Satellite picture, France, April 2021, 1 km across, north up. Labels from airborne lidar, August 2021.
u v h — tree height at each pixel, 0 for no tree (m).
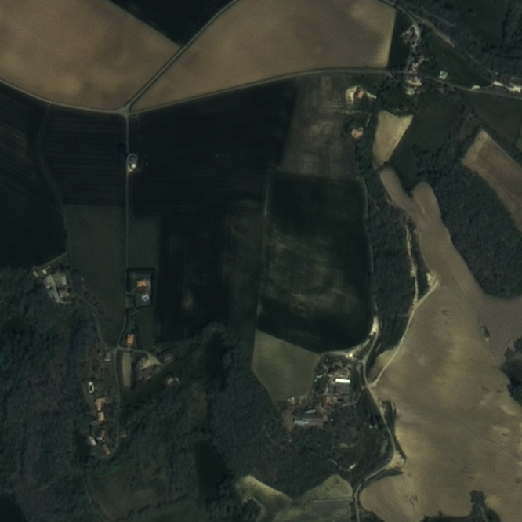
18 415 23
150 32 0
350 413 18
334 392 0
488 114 0
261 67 0
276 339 0
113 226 0
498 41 0
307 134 0
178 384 13
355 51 0
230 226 0
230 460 25
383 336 6
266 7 0
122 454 7
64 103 0
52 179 0
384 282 24
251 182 0
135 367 9
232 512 23
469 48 16
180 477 22
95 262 0
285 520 0
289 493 13
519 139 0
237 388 22
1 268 11
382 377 0
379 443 0
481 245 8
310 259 0
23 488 19
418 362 0
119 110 0
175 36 0
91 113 0
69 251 0
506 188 0
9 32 0
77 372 10
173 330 0
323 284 0
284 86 0
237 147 0
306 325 0
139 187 0
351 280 0
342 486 0
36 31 0
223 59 0
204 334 11
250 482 0
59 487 7
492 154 0
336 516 0
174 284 0
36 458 14
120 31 0
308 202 0
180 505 13
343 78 0
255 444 13
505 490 0
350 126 10
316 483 19
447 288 0
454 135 8
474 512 12
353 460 14
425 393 0
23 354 11
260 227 0
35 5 0
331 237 0
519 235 15
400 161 0
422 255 18
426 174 13
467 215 11
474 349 0
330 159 0
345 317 0
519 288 12
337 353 0
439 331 0
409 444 0
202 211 0
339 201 0
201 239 0
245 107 0
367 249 0
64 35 0
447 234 0
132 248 0
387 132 0
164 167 0
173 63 0
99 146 0
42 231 0
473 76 0
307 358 0
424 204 0
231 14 0
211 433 14
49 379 12
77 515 13
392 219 18
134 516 14
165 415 28
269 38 0
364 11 0
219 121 0
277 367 0
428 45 11
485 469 0
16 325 0
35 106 0
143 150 0
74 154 0
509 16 13
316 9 0
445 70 0
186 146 0
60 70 0
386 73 0
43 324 24
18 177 0
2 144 0
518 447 0
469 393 0
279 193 0
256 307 0
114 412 8
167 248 0
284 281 0
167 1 0
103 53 0
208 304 0
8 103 0
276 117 0
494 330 0
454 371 0
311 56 0
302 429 16
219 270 0
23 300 26
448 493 0
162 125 0
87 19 0
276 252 0
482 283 11
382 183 6
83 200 0
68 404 15
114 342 0
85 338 15
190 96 0
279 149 0
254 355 0
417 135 0
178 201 0
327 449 17
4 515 0
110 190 0
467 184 16
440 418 0
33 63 0
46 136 0
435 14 15
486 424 0
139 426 10
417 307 0
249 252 0
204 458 0
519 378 0
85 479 12
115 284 0
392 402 0
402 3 13
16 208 0
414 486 0
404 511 0
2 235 0
